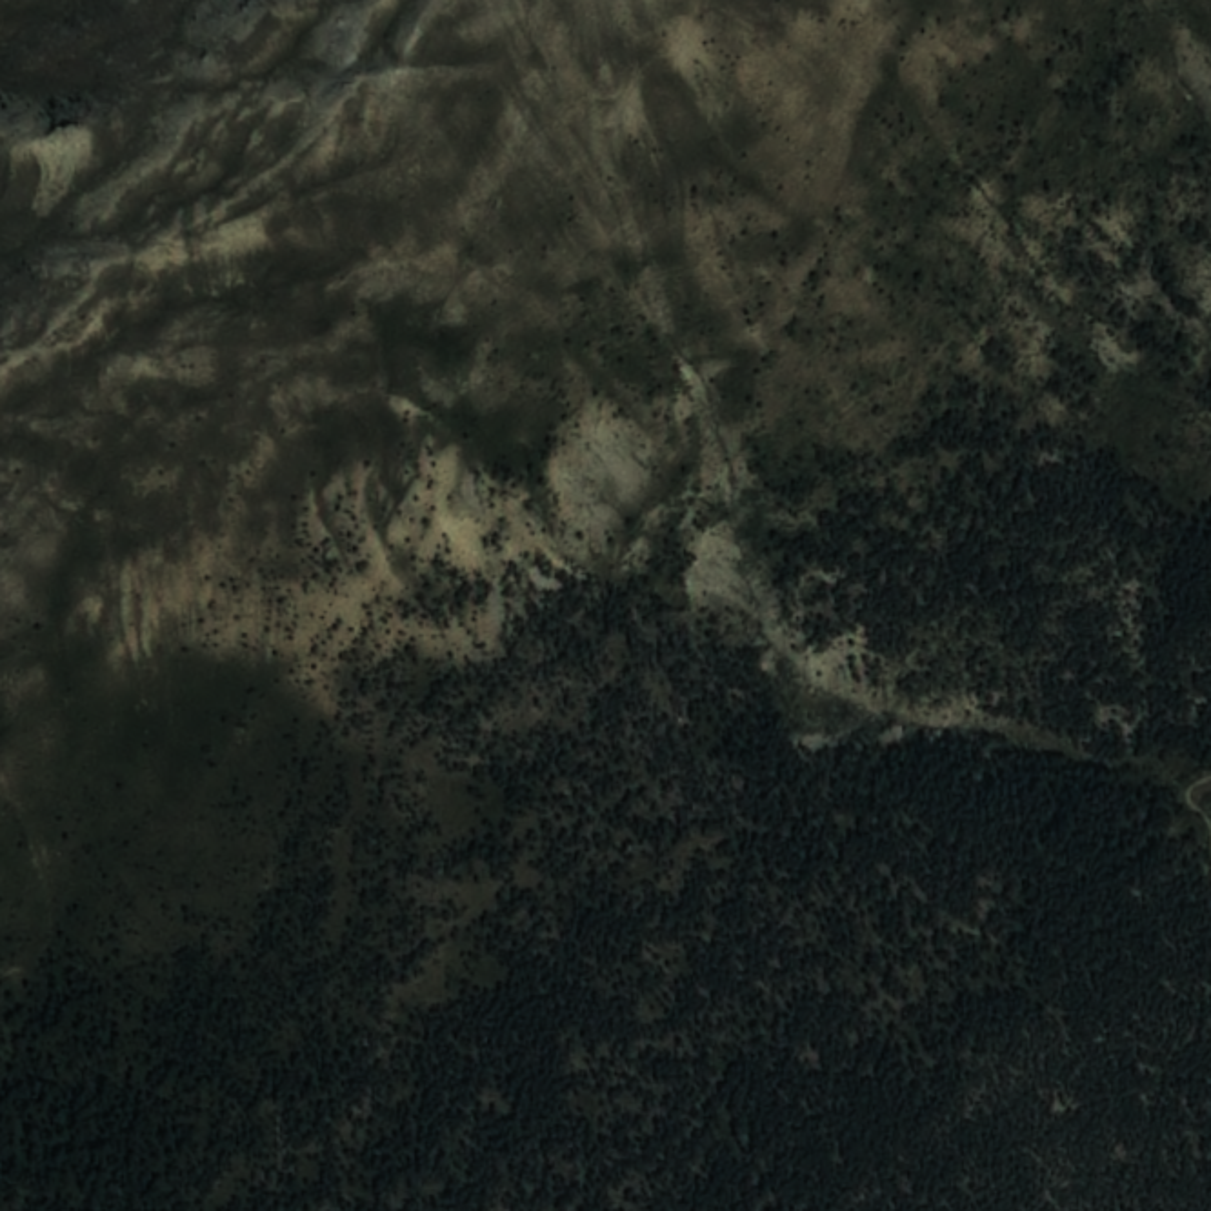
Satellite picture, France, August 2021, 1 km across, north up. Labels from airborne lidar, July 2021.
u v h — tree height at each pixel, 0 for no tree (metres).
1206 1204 11
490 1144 10
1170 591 15
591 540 0
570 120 0
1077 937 15
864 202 0
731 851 8
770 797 16
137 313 0
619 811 10
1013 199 0
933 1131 9
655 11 0
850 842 11
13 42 0
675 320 0
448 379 0
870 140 0
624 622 11
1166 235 0
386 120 0
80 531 0
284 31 0
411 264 0
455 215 0
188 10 0
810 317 0
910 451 10
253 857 0
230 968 9
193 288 0
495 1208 12
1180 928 12
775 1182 13
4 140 0
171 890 0
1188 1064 9
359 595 0
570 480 0
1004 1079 9
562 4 0
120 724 0
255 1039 12
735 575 0
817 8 0
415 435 0
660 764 8
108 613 0
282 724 0
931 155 0
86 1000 11
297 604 0
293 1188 17
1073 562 8
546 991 7
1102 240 9
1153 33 0
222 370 0
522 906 10
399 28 0
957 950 8
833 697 0
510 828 9
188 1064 8
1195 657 12
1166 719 15
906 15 0
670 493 0
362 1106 10
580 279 0
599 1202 11
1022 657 11
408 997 0
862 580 7
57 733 0
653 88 0
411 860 7
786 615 7
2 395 0
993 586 14
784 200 0
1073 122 0
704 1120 13
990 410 8
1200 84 0
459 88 0
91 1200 10
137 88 0
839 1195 9
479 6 0
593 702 9
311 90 0
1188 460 0
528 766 7
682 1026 12
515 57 0
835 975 15
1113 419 0
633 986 10
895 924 13
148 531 0
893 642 7
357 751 0
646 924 12
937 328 0
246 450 0
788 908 14
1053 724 13
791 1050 14
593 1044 10
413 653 7
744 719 9
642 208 0
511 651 9
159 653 0
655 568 5
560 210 0
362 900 8
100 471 0
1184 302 15
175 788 0
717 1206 14
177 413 0
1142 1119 13
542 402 0
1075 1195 7
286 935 7
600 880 9
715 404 0
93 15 0
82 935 0
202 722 0
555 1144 13
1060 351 7
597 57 0
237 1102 6
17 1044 12
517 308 0
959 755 7
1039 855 8
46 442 0
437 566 8
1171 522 15
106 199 0
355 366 0
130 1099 7
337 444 0
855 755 7
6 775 0
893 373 0
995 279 0
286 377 0
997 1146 13
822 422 0
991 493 14
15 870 0
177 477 0
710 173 0
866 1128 13
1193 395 8
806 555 12
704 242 0
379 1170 9
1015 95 0
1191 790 0
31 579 0
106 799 0
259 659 0
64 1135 14
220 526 0
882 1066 15
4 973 0
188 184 0
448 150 0
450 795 0
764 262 0
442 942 6
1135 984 13
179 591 0
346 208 0
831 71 0
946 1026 12
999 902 12
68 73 0
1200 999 8
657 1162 9
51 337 0
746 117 0
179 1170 11
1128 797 15
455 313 0
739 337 0
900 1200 15
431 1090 11
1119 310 8
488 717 7
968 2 0
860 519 8
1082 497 7
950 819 12
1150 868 13
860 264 0
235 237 0
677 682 8
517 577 7
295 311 0
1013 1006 12
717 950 15
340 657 6
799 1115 14
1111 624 8
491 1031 10
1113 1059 13
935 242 0
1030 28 0
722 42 0
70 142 0
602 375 0
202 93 0
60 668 0
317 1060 6
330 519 0
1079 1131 11
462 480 0
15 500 0
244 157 0
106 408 0
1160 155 0
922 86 0
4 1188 13
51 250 0
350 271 0
